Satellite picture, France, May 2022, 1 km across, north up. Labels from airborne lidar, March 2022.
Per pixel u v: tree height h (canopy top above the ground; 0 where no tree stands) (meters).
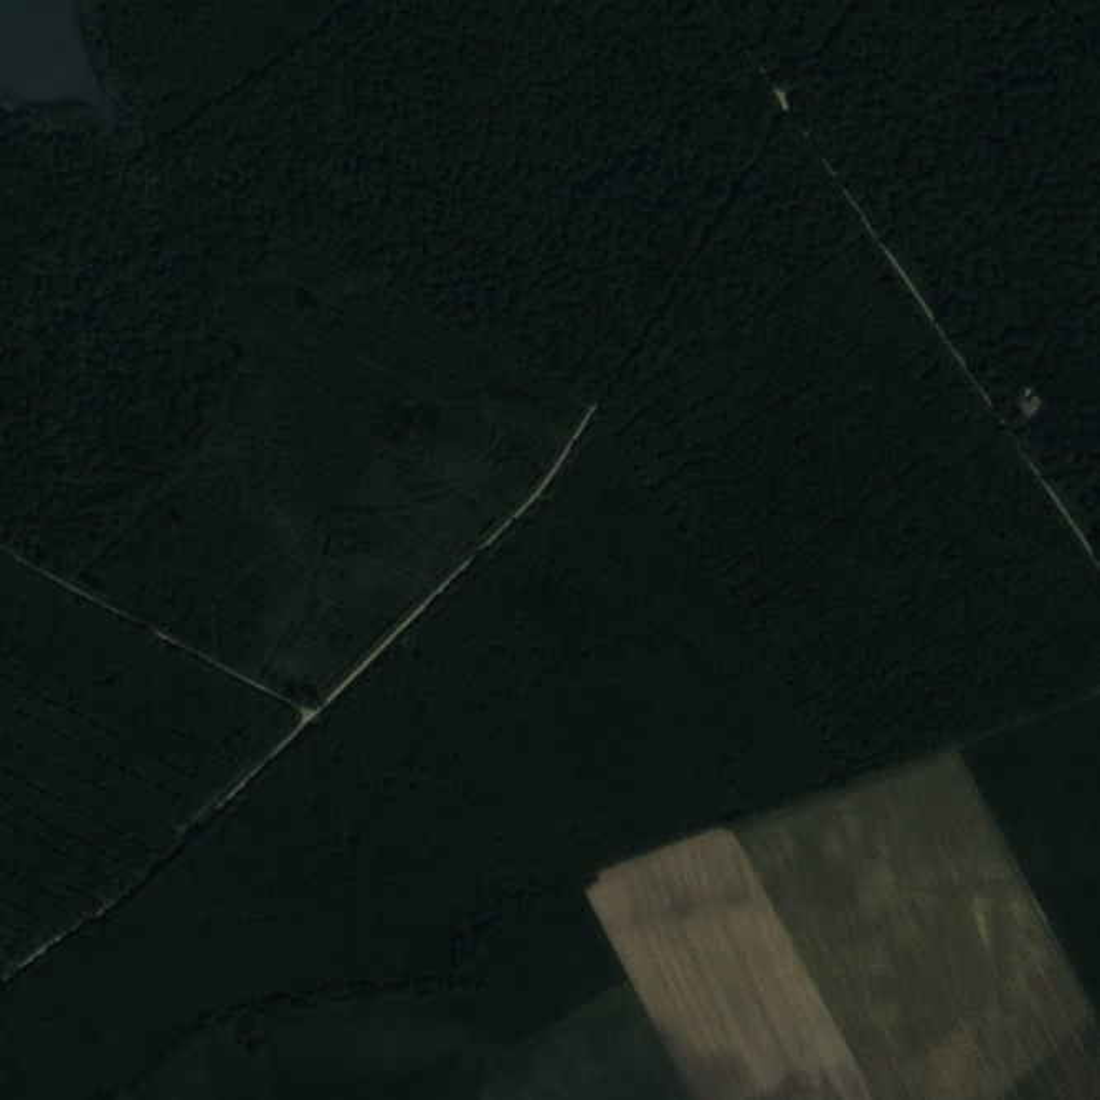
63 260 27
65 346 25
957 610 17
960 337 25
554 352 24
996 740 0
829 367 20
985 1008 0
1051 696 19
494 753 11
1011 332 29
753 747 10
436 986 15
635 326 19
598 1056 0
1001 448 23
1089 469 27
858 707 17
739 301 22
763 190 23
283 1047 0
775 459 17
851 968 0
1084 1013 0
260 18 17
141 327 27
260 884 9
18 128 17
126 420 26
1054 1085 0
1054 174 29
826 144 23
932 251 22
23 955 12
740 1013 0
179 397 27
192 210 24
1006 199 30
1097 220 27
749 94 23
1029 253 27
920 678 20
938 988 0
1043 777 0
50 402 29
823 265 19
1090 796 0
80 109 14
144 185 24
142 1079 17
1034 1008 0
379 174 23
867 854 0
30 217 26
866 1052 0
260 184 26
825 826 0
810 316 19
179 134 23
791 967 0
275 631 0
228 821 10
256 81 23
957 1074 0
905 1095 0
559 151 24
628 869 0
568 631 8
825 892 0
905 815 0
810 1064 0
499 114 24
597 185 26
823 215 25
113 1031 11
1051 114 26
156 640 12
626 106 25
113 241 23
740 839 0
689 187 26
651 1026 0
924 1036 0
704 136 26
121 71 17
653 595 10
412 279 24
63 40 0
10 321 23
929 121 24
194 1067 0
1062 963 0
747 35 20
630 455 8
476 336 18
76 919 10
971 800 0
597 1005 0
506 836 9
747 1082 0
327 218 26
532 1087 0
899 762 13
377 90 28
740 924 0
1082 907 0
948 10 25
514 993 0
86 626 15
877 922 0
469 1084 0
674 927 0
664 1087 0
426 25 27
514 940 0
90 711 15
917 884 0
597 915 0
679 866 0
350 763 8
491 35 24
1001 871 0
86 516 21
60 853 15
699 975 0
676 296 22
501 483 0
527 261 23
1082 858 0
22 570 14
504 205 23
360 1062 0
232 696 13
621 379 19
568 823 8
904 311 18
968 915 0
